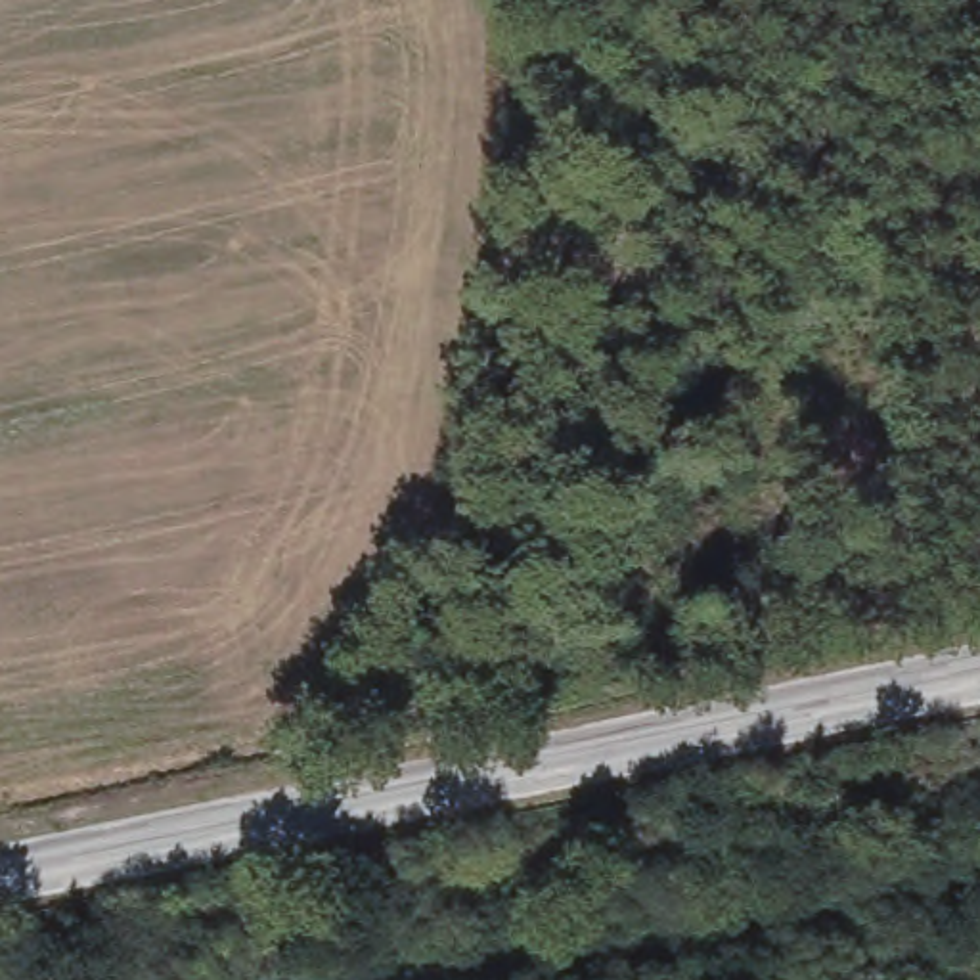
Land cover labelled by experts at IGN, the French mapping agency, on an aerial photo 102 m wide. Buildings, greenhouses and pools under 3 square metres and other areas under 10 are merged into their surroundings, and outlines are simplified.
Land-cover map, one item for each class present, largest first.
<instances>
[{"label":"coniferous trees","instance_id":"1","mask_svg":"<svg viewBox=\"0 0 980 980\"><path fill-rule=\"evenodd\" d=\"M486 84L494 88L482 138L486 165L479 199L471 207V222L482 249L479 260L463 272L459 333L440 345L444 421L433 467L429 475H410L398 482L375 528L371 555H360L352 574L333 590L329 613L314 620L302 651L276 670L272 701H279V716L272 720L268 735V743L287 750V762L299 785V800H345L360 789V781L383 789L390 777L402 773L406 758H433L436 777H482L486 762L532 769L540 750L547 746L551 727L605 720L620 712H666L708 701L743 708L766 681L880 658L942 655L953 647H969L980 655V0H494L486 15Z\"/></svg>","mask_w":980,"mask_h":980},{"label":"agricultural land","instance_id":"2","mask_svg":"<svg viewBox=\"0 0 980 980\"><path fill-rule=\"evenodd\" d=\"M494 0H0V800H31L153 769H172L226 746L237 754H253L268 735L272 720L279 716V701H272L276 670L302 651L314 620L329 613L333 590L352 574L360 555H371L375 528L398 482L410 475H429L433 467L444 421L440 345L459 333L463 272L479 260L482 249L471 222V207L479 199L486 165L482 138L494 88L486 84V15Z\"/></svg>","mask_w":980,"mask_h":980},{"label":"deciduous trees","instance_id":"3","mask_svg":"<svg viewBox=\"0 0 980 980\"><path fill-rule=\"evenodd\" d=\"M961 727H926L919 735L873 739L861 746H842L835 754H800L781 769H689L635 800L624 792L616 773L597 769L563 796L517 800L505 819L440 827L421 838L398 842L375 861L348 850L314 854L306 838L272 842L264 854H245L234 869L195 880L188 892H107L92 903V923L65 946L42 934L19 903L0 900V980H383L406 965H475L505 949H524L536 957L528 972H521L517 980H980V712L961 708Z\"/></svg>","mask_w":980,"mask_h":980},{"label":"impervious surface","instance_id":"4","mask_svg":"<svg viewBox=\"0 0 980 980\"><path fill-rule=\"evenodd\" d=\"M961 708L980 712V655L969 647H953L942 655L880 658L766 681L743 708L708 701L666 712H620L605 720L551 727L547 746L540 750L532 769L486 762L482 777H436L433 758H406L402 773L390 777L383 789L360 781V789L345 800H299L276 796L272 789H249L203 804L31 835L23 846H0V900L19 903L42 934L65 946L92 923V903L107 892H188L195 880L234 869L245 854H264L272 842L306 838L314 854L348 850L375 861L398 842L421 838L440 827L505 819L517 800L563 796L597 769L616 773L624 792L635 800L689 769H781L800 754H835L842 746H861L873 739L919 735L926 727H961ZM536 957L524 949H505L475 965H406L383 980H517L521 972H528Z\"/></svg>","mask_w":980,"mask_h":980},{"label":"brushwood","instance_id":"5","mask_svg":"<svg viewBox=\"0 0 980 980\"><path fill-rule=\"evenodd\" d=\"M287 762V750L268 743V735L253 754H237L226 746L172 769H153L31 800H0V846H23L31 835L203 804L249 789L241 769Z\"/></svg>","mask_w":980,"mask_h":980},{"label":"herbaceous vegetation","instance_id":"6","mask_svg":"<svg viewBox=\"0 0 980 980\"><path fill-rule=\"evenodd\" d=\"M249 789H272L276 796L299 800V785L287 762L241 769Z\"/></svg>","mask_w":980,"mask_h":980}]
</instances>
